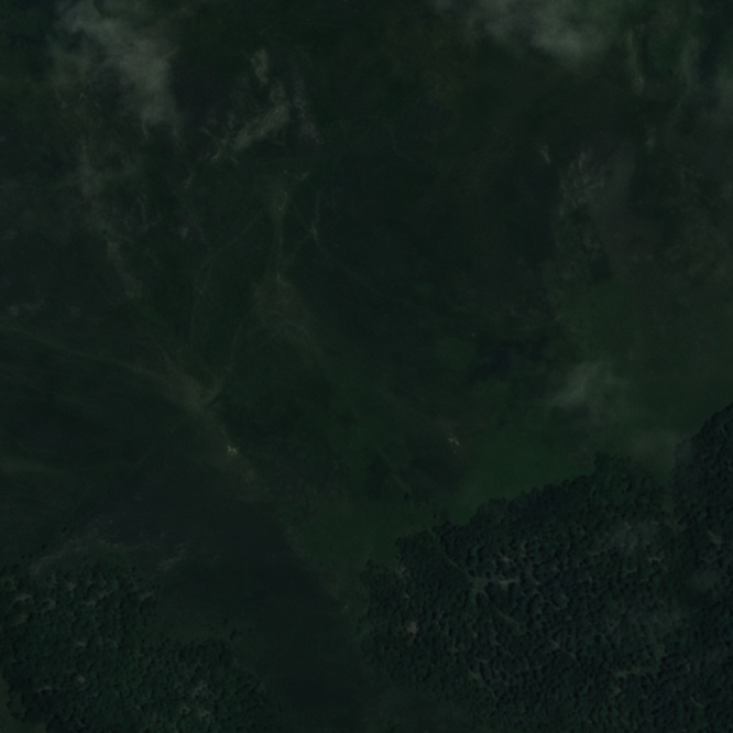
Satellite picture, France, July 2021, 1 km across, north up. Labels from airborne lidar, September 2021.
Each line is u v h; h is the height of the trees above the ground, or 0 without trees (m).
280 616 0
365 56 0
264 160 0
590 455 0
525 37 0
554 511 23
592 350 0
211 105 0
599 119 0
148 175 0
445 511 0
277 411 0
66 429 0
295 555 0
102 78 0
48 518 0
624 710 35
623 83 0
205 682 7
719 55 0
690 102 0
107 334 0
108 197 0
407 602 21
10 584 13
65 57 0
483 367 0
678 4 0
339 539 0
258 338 0
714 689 20
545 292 0
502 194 0
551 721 13
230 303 0
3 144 0
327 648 0
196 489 0
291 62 0
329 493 0
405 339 0
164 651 12
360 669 0
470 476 0
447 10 0
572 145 0
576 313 0
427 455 0
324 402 0
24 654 21
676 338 0
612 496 23
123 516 0
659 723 29
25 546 0
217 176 0
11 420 0
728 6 0
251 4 0
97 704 16
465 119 0
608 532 26
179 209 0
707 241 0
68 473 0
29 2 0
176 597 0
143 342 0
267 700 9
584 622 30
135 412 0
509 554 28
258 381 0
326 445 0
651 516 26
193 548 0
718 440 24
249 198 0
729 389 0
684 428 0
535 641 25
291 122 0
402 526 0
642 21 0
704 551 24
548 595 24
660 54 0
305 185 0
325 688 0
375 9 0
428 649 12
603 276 0
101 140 0
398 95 0
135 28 0
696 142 0
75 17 0
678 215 0
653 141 0
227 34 0
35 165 0
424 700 0
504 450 0
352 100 0
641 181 0
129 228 0
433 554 24
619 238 0
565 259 0
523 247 0
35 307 0
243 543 0
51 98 0
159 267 0
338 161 0
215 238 0
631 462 14
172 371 0
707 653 19
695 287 0
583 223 0
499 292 0
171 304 0
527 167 0
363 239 0
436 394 0
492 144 0
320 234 0
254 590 0
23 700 9
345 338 0
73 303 0
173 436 0
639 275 0
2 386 0
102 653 14
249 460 0
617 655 20
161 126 0
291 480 0
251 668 0
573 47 0
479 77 0
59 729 16
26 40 0
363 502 0
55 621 18
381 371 0
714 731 21
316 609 0
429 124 0
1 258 0
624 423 0
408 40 0
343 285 0
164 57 0
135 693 17
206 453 0
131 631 12
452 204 0
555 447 0
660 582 7
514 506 15
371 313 0
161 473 0
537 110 0
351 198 0
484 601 27
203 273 0
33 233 0
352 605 0
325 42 0
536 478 0
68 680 20
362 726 0
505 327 0
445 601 25
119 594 10
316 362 0
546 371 0
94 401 0
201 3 0
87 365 0
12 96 0
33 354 0
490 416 0
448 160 0
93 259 0
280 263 0
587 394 0
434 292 0
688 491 26
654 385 0
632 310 0
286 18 0
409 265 0
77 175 0
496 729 10
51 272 0
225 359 0
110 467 0
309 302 0
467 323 0
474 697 17
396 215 0
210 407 0
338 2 0
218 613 0
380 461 0
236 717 15
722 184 0
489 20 0
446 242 0
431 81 0
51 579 9
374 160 0
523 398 0
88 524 0
